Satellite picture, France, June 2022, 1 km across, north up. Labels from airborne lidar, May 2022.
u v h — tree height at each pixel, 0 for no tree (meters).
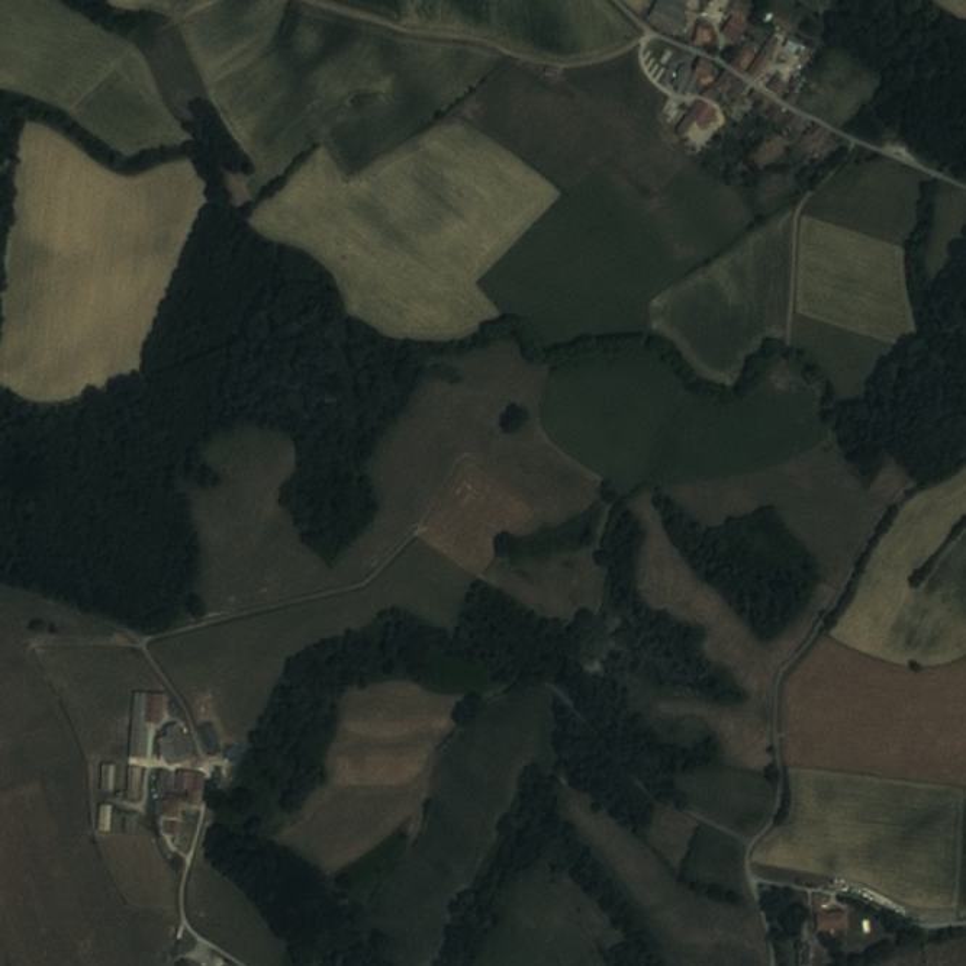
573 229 0
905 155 0
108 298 0
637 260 0
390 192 0
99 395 23
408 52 0
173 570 12
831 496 0
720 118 0
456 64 0
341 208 0
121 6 0
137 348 0
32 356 0
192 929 0
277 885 22
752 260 0
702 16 0
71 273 0
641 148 0
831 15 13
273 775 18
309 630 0
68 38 0
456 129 0
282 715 14
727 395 19
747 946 0
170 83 0
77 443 12
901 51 11
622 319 0
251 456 0
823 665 0
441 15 0
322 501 17
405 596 0
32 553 12
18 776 0
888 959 15
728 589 15
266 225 0
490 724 0
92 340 0
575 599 0
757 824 0
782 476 0
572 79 0
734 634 0
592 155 0
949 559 0
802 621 0
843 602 6
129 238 0
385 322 0
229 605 0
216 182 15
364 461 8
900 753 0
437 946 0
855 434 15
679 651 14
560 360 16
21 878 0
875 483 0
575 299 0
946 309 19
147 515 12
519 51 0
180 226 0
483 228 0
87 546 9
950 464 14
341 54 0
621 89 0
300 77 0
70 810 0
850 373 0
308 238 0
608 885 15
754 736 0
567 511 0
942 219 0
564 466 0
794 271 0
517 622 9
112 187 0
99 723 0
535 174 0
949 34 19
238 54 0
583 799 0
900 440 19
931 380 26
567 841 25
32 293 0
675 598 0
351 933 9
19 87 0
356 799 0
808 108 0
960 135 38
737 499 0
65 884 0
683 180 0
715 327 0
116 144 0
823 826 0
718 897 11
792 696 0
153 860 0
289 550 0
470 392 0
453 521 0
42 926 0
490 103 0
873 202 0
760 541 0
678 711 0
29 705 0
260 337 28
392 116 0
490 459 0
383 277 0
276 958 0
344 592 0
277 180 9
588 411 0
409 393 8
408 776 0
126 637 0
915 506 0
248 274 14
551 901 0
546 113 0
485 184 0
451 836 0
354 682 22
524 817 13
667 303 0
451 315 0
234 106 0
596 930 0
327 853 0
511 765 0
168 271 0
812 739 0
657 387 0
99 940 0
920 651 0
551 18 0
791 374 0
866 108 6
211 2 0
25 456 19
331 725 21
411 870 0
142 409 20
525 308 0
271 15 0
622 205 0
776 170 10
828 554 0
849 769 0
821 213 0
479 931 11
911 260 6
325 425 14
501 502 0
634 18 0
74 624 0
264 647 0
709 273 0
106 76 0
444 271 0
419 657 17
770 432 0
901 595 0
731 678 0
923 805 0
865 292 0
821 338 0
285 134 0
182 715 0
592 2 0
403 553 0
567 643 8
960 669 0
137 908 0
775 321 0
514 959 0
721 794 0
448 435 0
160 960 0
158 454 8
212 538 0
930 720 0
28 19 0
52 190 0
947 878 0
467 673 0
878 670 0
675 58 0
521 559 0
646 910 0
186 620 0
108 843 0
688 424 0
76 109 0
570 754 28
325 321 24
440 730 0
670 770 10
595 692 24
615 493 19
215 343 12
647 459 0
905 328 0
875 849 0
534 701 0
